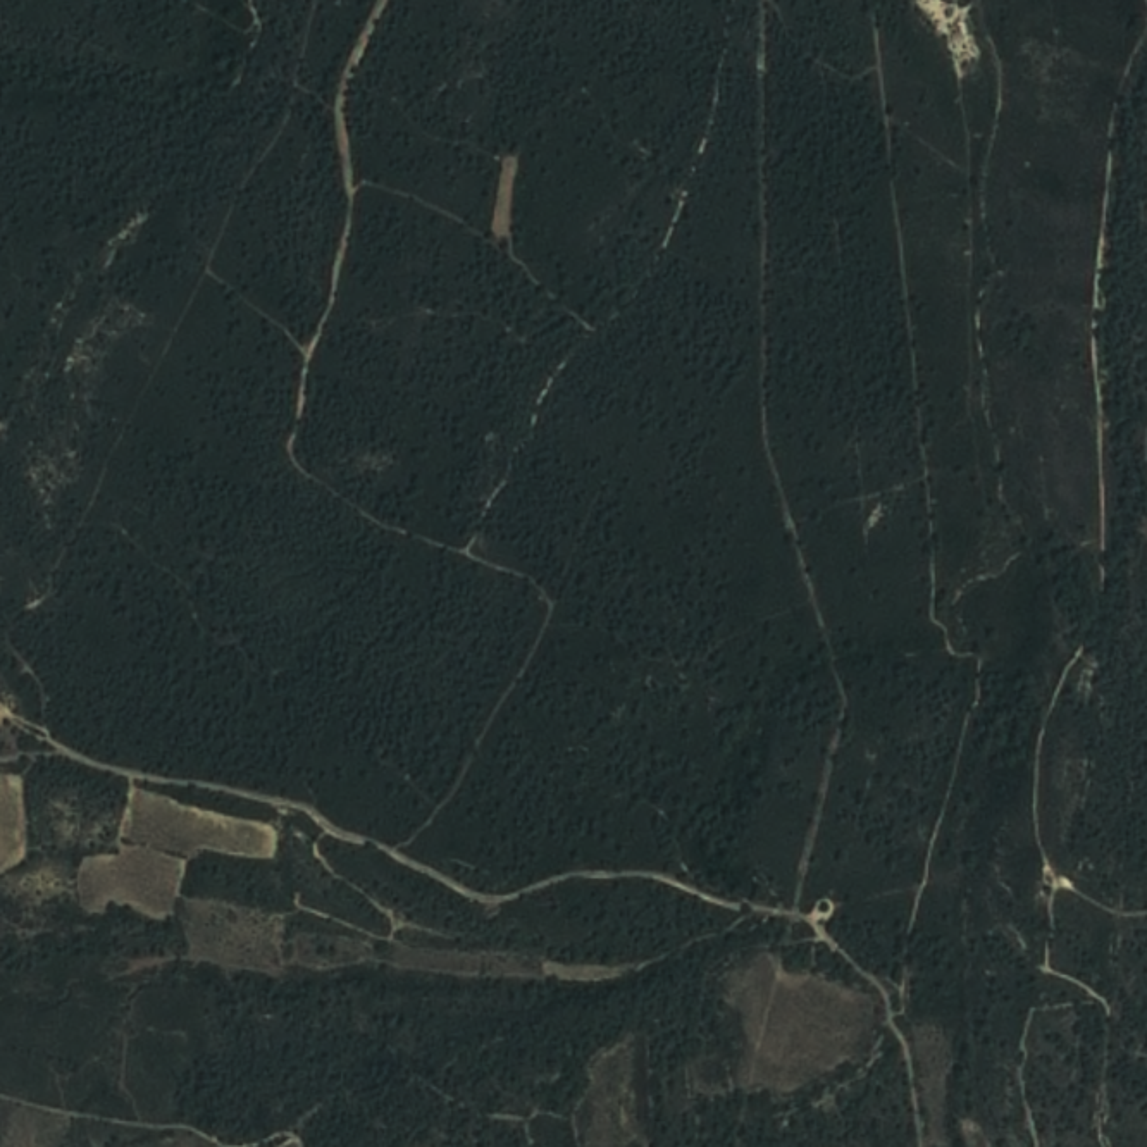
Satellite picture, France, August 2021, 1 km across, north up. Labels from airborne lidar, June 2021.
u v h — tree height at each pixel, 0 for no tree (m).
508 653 7
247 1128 6
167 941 7
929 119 0
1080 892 0
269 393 9
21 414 6
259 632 10
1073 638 9
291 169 0
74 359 0
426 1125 6
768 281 7
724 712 11
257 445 8
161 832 0
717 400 7
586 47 0
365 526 7
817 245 9
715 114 6
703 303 9
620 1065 0
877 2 9
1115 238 11
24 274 0
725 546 9
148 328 0
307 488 9
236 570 9
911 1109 8
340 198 8
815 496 0
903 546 0
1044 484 0
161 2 10
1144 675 10
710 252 0
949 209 0
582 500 9
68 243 0
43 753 8
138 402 0
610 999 8
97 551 6
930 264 0
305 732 8
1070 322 0
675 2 7
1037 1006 0
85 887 0
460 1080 7
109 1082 0
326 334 7
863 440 6
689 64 11
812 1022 0
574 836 12
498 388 7
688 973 10
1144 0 0
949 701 10
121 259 9
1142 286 9
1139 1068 8
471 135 8
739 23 8
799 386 7
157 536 0
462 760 7
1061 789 0
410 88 8
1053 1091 8
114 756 6
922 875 0
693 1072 0
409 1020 7
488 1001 7
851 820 8
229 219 0
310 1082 7
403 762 11
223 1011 8
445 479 10
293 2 8
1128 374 11
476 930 8
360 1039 7
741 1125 6
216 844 0
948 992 10
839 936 11
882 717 0
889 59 0
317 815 0
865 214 7
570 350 9
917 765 11
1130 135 8
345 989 9
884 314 8
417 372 8
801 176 8
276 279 6
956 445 0
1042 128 0
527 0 7
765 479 0
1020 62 0
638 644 7
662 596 11
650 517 0
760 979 0
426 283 9
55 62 12
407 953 0
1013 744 11
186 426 0
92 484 0
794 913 0
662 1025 7
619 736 9
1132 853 8
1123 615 8
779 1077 0
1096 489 0
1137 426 10
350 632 8
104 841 6
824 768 0
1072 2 0
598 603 10
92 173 11
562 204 0
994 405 0
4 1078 0
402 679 9
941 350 0
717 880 14
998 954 8
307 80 6
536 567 8
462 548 0
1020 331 10
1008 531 0
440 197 0
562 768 8
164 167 8
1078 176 0
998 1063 0
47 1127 0
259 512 10
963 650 0
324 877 7
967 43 0
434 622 9
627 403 8
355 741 8
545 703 9
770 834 0
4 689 0
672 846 12
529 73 7
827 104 9
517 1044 9
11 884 0
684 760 9
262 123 8
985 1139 0
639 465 0
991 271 9
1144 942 6
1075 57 0
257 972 0
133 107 8
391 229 9
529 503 8
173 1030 0
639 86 8
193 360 6
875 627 0
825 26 8
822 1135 8
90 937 6
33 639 8
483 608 9
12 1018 0
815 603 0
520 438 7
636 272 7
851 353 7
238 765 8
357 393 7
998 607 0
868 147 9
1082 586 13
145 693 9
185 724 9
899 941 10
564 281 11
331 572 8
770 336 7
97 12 8
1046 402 0
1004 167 0
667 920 10
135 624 7
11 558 0
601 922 10
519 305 7
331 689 9
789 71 9
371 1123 8
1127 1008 7
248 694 7
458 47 7
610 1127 0
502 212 0
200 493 8
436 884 7
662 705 7
